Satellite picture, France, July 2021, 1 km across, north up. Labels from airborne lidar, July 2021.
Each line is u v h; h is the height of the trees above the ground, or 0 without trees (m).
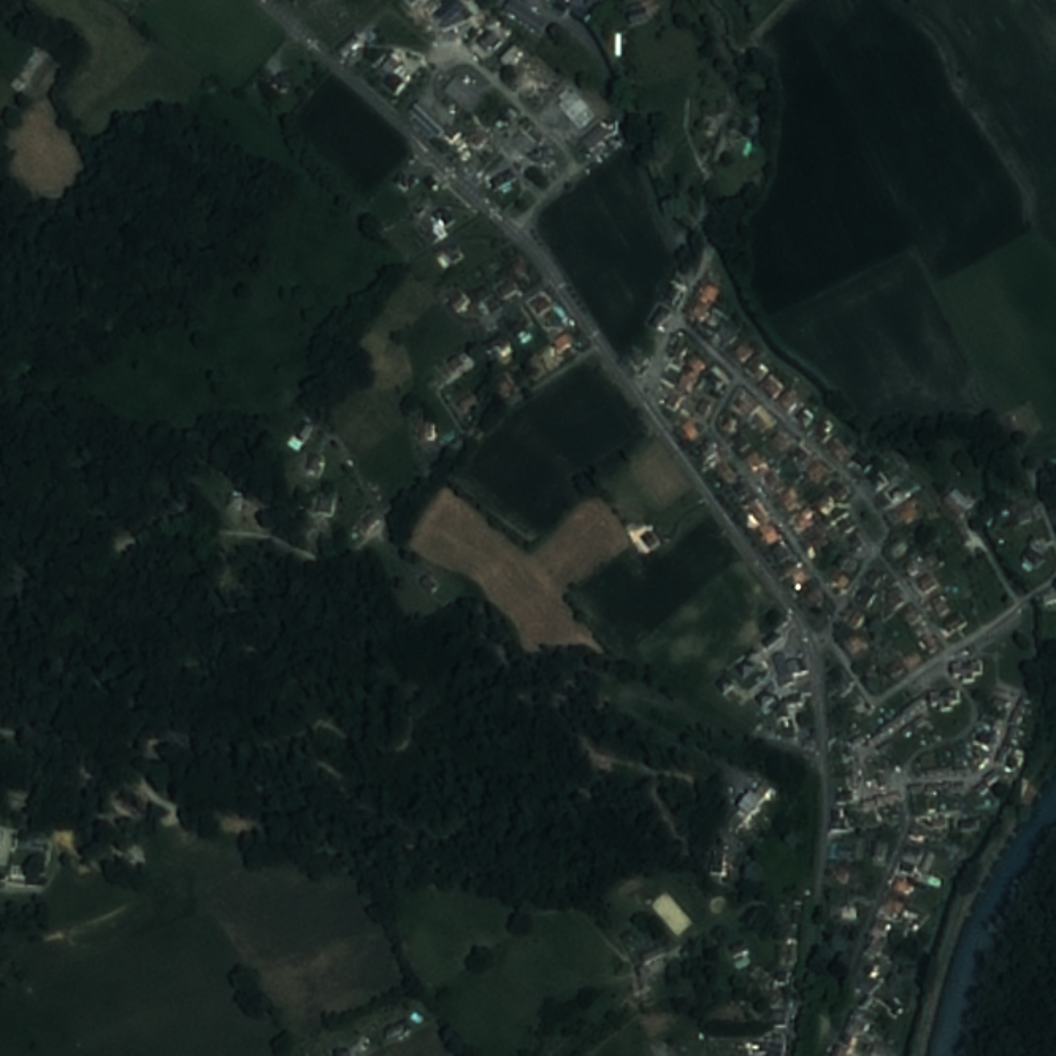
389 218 0
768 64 31
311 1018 0
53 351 36
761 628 0
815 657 0
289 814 8
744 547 0
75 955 0
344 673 19
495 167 0
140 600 27
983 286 0
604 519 0
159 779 35
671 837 24
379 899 25
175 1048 0
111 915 0
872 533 0
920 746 0
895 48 0
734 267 17
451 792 29
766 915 24
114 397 0
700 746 12
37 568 30
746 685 0
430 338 0
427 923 0
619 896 0
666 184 10
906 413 7
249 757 22
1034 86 0
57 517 26
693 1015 17
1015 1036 20
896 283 0
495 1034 0
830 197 0
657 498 0
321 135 0
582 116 0
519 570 0
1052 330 0
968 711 0
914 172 0
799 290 0
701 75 7
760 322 8
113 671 35
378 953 0
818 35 0
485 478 0
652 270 0
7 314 21
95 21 0
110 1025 0
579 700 25
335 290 0
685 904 0
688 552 0
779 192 0
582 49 0
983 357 0
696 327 7
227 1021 0
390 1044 0
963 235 0
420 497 23
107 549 29
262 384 0
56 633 34
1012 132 0
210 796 34
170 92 0
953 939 0
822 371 0
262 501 30
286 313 0
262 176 21
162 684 28
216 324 0
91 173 18
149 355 0
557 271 0
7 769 27
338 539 12
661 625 0
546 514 0
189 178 28
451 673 6
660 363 0
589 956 0
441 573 0
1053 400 0
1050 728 8
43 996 0
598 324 0
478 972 18
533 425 0
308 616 29
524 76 0
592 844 26
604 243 0
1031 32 0
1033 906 26
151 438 19
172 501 6
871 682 15
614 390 0
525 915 20
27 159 0
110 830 27
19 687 19
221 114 0
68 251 34
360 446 0
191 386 0
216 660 29
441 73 0
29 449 32
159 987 0
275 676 26
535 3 0
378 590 20
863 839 16
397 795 6
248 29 0
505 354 0
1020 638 16
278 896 0
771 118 29
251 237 29
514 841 32
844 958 15
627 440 0
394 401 0
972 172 0
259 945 0
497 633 24
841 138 0
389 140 0
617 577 0
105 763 32
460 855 26
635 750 9
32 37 21
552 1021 14
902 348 0
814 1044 15
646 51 0
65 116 15
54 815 29
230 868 0
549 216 0
